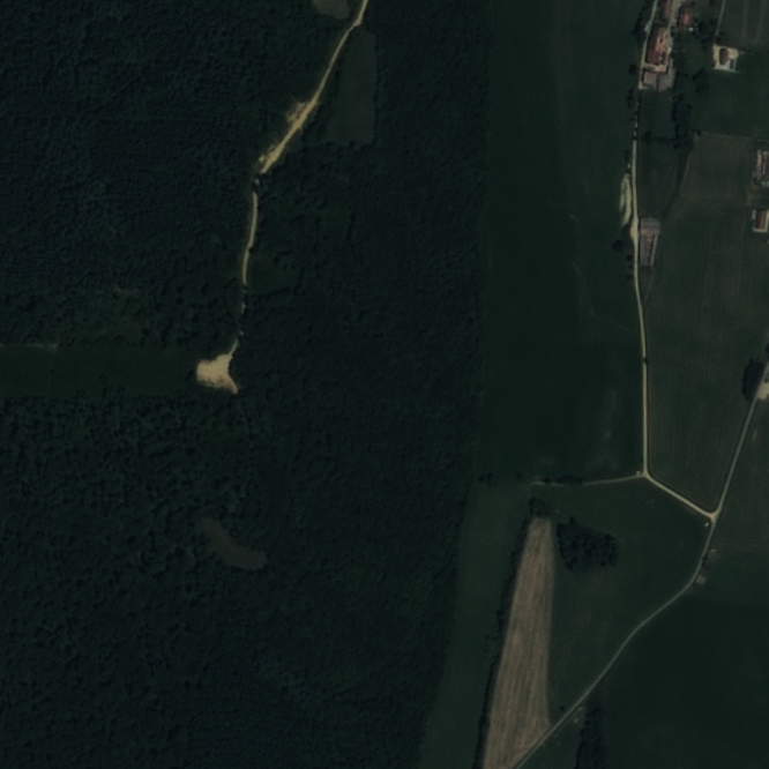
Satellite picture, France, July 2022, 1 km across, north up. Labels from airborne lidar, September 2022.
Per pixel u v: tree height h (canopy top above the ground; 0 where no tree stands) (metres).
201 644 23
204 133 26
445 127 13
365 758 13
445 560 6
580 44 0
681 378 0
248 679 23
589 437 0
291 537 21
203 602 20
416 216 18
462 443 20
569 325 0
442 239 18
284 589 23
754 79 0
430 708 11
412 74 20
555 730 0
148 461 24
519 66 0
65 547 24
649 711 0
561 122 0
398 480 20
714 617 0
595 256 0
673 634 0
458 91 19
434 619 14
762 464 0
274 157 0
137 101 32
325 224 13
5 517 28
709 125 0
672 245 0
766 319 0
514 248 0
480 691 0
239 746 24
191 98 26
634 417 0
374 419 14
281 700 21
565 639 0
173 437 24
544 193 0
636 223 0
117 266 21
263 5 14
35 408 8
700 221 0
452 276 15
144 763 24
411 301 17
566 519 0
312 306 18
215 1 23
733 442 0
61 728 24
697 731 0
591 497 0
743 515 0
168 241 18
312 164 20
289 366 18
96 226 39
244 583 21
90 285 21
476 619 0
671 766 0
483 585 0
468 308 18
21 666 20
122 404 10
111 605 21
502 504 0
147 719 29
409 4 14
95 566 18
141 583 27
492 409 0
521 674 0
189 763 19
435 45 18
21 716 24
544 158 0
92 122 33
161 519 25
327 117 11
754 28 0
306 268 16
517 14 0
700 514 0
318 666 15
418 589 9
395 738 18
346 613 16
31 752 25
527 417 0
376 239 17
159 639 23
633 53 0
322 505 15
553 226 0
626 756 0
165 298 26
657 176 0
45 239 17
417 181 18
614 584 0
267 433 16
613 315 0
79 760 14
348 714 9
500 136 0
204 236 19
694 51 0
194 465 28
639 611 0
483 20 14
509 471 0
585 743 13
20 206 25
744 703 0
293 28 17
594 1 0
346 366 18
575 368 0
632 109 14
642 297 0
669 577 0
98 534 23
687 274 0
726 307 0
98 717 21
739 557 0
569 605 0
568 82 0
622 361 0
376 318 16
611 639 0
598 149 0
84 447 24
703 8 0
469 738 0
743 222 0
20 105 26
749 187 0
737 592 0
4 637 24
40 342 21
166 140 24
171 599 25
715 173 0
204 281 24
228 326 18
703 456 0
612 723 0
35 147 28
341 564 18
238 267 26
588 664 0
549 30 0
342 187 21
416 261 16
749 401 10
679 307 0
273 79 16
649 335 0
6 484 24
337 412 20
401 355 16
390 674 18
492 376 0
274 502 10
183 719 24
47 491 24
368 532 14
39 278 18
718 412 0
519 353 0
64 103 23
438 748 0
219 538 0
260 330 18
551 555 0
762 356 0
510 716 0
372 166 14
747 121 0
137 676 28
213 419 21
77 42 41
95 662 23
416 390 20
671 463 0
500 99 0
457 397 16
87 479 24
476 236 16
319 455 18
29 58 19
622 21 0
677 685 0
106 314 7
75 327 13
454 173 14
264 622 11
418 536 17
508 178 0
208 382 0
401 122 15
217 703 22
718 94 0
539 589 0
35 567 23
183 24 25
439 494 16
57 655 25
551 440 0
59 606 25
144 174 26
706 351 0
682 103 21
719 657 0
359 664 12
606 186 0
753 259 0
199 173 30
